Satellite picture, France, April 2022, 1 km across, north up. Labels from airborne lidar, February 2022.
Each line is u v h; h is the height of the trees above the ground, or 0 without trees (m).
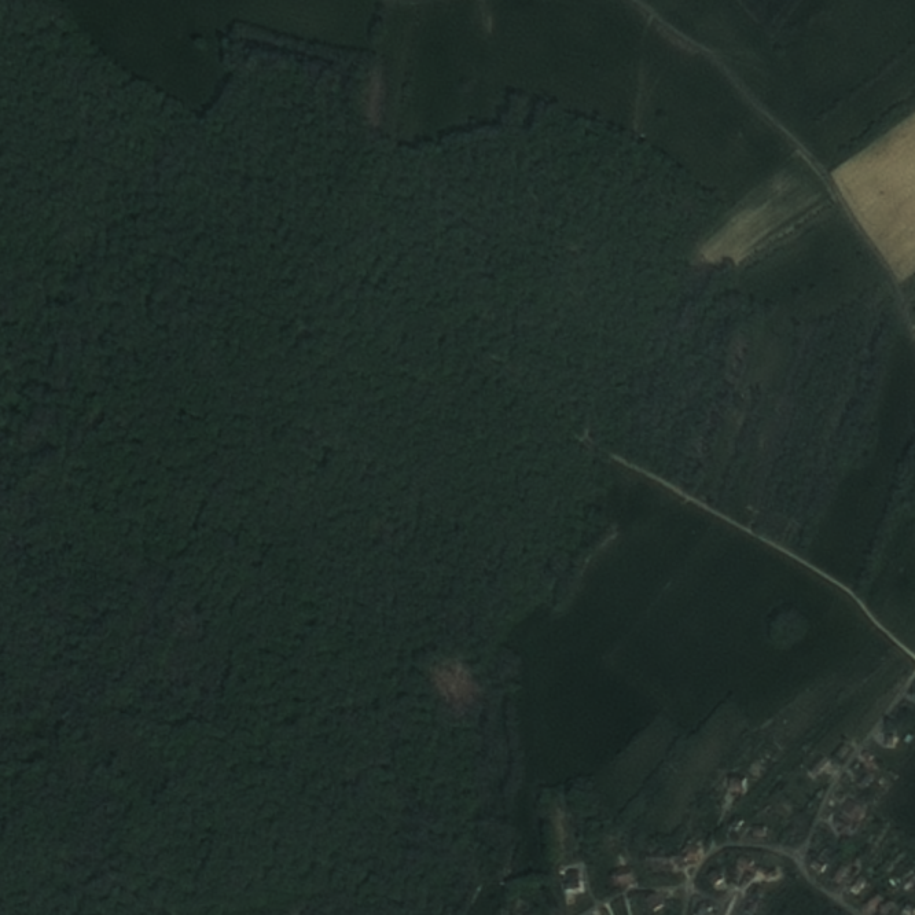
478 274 25
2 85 20
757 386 0
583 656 0
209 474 25
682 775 0
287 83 24
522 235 24
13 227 21
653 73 0
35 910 27
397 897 29
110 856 14
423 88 0
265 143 23
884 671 0
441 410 26
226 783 27
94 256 24
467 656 28
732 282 16
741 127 0
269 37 13
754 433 14
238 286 24
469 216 26
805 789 8
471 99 0
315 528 28
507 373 25
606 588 0
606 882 0
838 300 0
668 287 23
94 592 27
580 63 0
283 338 16
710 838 7
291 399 28
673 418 23
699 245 21
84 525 22
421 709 28
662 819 0
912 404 0
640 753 0
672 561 0
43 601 26
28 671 29
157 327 26
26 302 29
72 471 27
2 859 23
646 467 18
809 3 0
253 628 26
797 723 0
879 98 0
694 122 0
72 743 15
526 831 0
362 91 26
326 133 22
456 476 26
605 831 12
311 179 21
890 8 0
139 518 30
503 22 0
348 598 27
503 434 25
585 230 22
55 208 24
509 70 0
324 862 29
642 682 0
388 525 25
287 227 22
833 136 0
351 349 23
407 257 22
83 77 24
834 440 10
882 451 0
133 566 30
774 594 0
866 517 0
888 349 12
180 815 24
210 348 26
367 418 22
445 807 20
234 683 19
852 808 0
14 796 7
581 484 21
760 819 0
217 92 0
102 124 25
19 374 29
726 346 20
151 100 25
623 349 22
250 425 27
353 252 28
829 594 0
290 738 29
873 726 0
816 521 12
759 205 0
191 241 26
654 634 0
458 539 25
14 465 26
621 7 0
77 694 27
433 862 27
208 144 22
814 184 0
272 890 16
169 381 24
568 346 25
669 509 0
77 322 28
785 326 0
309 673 27
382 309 27
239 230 22
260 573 24
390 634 25
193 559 25
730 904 0
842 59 0
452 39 0
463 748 27
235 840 26
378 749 29
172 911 26
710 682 0
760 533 12
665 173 19
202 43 14
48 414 31
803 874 0
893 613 0
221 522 23
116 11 0
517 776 17
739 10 0
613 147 22
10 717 28
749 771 0
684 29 0
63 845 22
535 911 7
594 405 24
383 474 25
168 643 23
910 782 0
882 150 0
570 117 10
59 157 23
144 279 25
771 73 0
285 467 27
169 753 23
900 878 9
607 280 25
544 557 27
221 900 25
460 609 27
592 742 0
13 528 25
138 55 0
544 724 0
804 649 0
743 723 0
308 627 24
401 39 0
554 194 22
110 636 24
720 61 0
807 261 0
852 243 0
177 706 25
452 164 23
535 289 25
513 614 24
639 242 22
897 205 0
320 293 26
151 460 26
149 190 26
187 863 27
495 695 22
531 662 0
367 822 30
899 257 0
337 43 0
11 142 23
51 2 19
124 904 23
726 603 0
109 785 21
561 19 0
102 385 25
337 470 28
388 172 25
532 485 26
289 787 27
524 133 22
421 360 27
